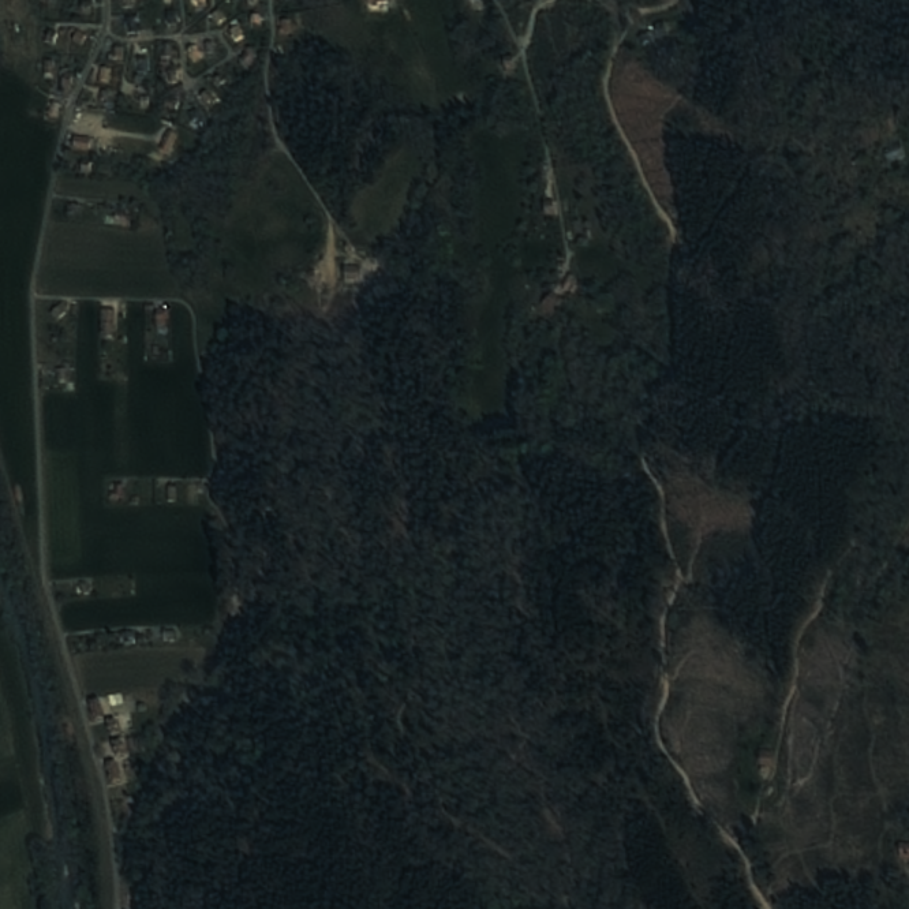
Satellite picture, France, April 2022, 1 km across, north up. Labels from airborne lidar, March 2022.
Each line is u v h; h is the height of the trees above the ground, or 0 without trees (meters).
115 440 0
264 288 0
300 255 0
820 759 0
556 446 21
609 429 18
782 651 28
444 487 26
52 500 0
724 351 28
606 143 15
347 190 13
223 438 32
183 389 0
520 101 15
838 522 28
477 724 28
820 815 0
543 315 7
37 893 10
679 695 0
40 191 0
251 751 12
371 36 0
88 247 0
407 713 0
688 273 29
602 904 22
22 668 0
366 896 21
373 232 0
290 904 24
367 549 23
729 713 0
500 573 24
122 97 8
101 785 0
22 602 21
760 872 16
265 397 29
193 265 20
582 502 30
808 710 0
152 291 0
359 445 23
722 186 28
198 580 0
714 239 25
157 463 0
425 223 20
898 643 0
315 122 17
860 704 0
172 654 0
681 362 26
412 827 30
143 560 0
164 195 19
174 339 0
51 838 0
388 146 18
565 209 0
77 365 0
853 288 18
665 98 0
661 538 31
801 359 21
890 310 19
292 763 23
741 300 29
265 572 9
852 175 0
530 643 23
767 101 20
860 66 20
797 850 0
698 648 0
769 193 25
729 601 27
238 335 23
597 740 13
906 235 22
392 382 10
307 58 9
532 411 26
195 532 0
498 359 0
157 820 25
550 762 20
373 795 29
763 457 30
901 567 14
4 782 0
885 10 21
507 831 28
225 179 12
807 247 18
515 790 28
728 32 23
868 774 0
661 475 19
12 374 0
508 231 0
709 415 32
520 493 25
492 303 0
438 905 26
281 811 17
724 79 24
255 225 0
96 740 0
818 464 27
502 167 0
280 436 29
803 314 17
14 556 19
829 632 0
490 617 25
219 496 18
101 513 0
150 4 8
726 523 0
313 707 9
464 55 19
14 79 0
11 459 0
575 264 0
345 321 21
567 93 17
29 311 0
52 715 16
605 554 28
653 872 22
